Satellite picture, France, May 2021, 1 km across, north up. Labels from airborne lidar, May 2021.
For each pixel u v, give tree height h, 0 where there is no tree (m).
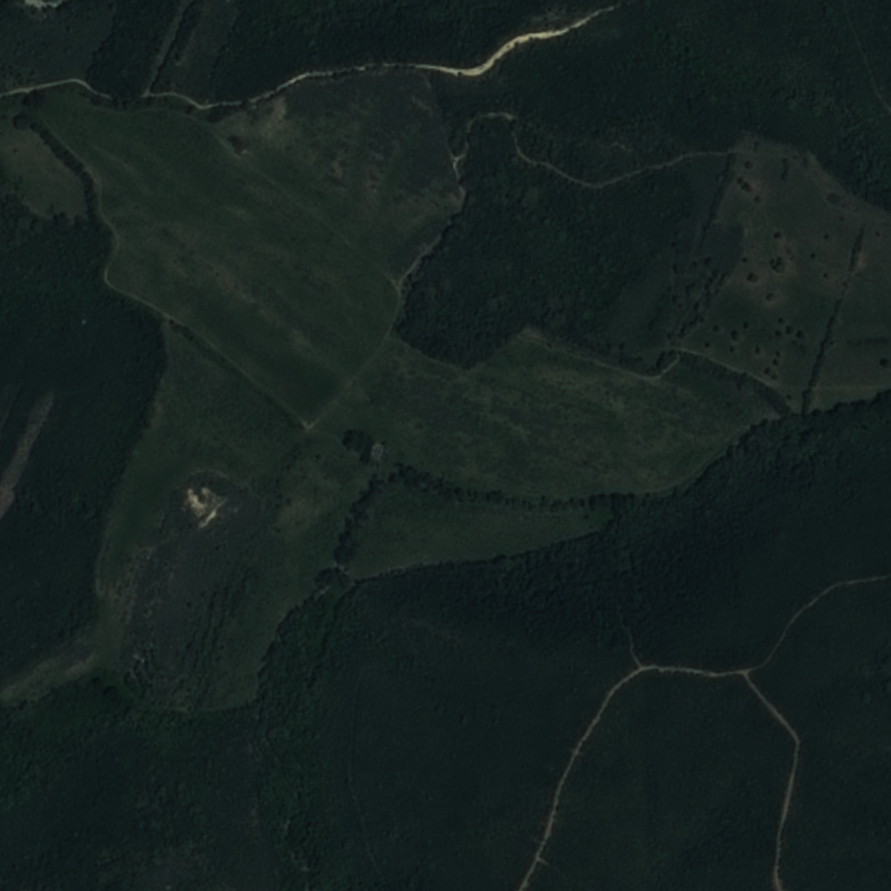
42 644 7
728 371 12
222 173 0
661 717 6
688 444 0
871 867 6
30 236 7
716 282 11
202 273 0
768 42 6
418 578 7
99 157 0
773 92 8
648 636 9
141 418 9
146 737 8
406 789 5
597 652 6
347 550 18
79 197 0
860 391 0
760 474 9
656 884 8
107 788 7
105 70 9
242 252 0
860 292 0
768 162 0
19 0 8
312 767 6
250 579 8
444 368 0
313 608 13
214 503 0
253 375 0
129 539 0
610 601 8
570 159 6
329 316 0
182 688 7
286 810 7
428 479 10
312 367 0
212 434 0
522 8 7
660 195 6
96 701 6
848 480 8
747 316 0
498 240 7
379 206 0
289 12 10
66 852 7
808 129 6
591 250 8
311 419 0
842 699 6
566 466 0
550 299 16
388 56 9
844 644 6
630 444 0
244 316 0
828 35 8
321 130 0
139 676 8
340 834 6
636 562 12
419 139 0
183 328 7
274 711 10
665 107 6
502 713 6
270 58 6
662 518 8
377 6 10
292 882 7
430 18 12
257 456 0
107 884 9
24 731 9
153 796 7
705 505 9
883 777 7
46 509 10
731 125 5
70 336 7
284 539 0
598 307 7
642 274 8
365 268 0
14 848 5
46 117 0
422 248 0
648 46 8
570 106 6
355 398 0
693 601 7
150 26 8
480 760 6
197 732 8
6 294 7
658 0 7
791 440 14
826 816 6
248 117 0
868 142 7
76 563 7
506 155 6
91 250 6
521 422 0
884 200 7
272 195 0
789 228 0
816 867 6
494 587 10
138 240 0
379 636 7
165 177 0
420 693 6
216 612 8
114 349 5
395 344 0
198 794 8
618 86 7
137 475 0
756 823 7
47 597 6
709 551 8
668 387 0
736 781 6
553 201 9
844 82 6
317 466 0
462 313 9
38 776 11
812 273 0
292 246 0
